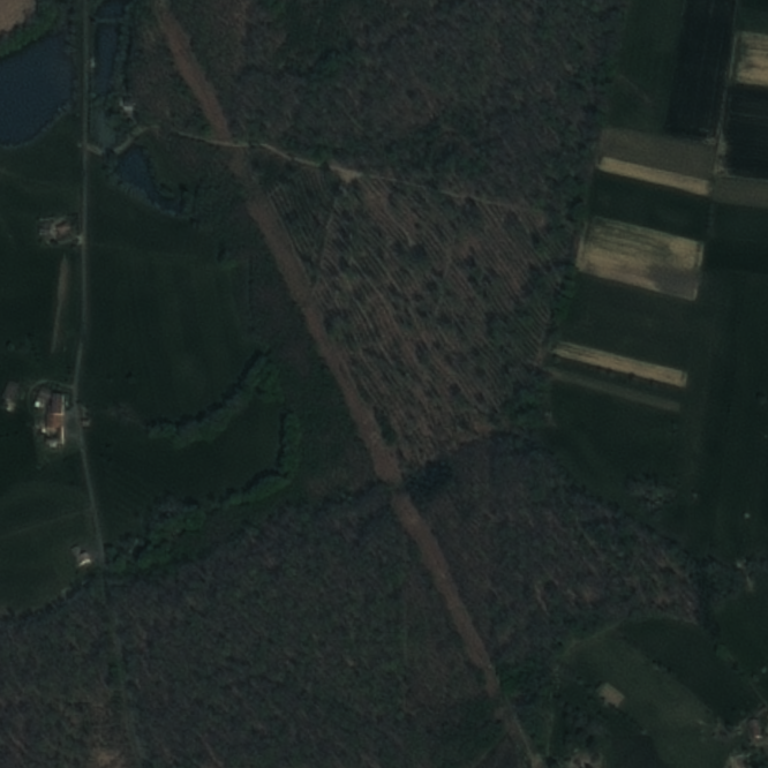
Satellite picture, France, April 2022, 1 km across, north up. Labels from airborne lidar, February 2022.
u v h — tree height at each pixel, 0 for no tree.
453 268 0
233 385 0
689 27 0
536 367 0
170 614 32
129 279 0
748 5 0
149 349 0
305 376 11
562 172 32
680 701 0
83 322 0
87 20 0
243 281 0
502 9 30
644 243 0
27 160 0
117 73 16
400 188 0
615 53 30
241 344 0
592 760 7
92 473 0
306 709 33
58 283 0
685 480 0
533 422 27
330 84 29
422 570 21
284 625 28
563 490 27
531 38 28
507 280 0
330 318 0
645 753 0
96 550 0
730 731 14
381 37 25
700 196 0
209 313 0
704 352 0
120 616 26
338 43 11
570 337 0
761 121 0
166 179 0
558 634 30
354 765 31
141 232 0
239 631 27
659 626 0
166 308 0
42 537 0
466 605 15
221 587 27
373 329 0
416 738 19
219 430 23
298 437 26
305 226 27
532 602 27
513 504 28
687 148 0
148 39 0
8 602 0
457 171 27
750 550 0
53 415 0
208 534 14
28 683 29
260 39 25
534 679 15
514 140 33
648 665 0
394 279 0
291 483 23
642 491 22
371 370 0
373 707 26
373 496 25
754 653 0
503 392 0
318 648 28
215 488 0
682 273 0
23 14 0
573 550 29
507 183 31
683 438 0
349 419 12
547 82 32
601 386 0
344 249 0
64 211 0
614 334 0
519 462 29
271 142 29
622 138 0
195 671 28
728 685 0
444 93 27
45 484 0
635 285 0
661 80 0
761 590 0
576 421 0
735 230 0
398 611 27
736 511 0
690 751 0
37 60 0
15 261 0
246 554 27
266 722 30
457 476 18
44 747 29
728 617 0
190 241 0
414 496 19
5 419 0
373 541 30
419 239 0
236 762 31
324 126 30
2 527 0
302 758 33
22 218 0
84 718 30
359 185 0
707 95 0
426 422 0
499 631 23
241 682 26
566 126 34
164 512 21
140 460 0
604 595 30
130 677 25
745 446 0
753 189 0
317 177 0
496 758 0
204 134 16
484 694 11
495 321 0
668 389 0
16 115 0
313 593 27
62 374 0
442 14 25
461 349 0
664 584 30
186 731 27
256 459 0
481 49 30
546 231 0
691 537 0
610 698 0
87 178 0
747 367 0
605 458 0
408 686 12
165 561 24
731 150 0
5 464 0
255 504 9
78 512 0
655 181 0
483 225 32
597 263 0
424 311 31
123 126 13
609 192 0
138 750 0
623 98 0
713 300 0
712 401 0
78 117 0
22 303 0
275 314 14
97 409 0
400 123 17
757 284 0
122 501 0
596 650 0
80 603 25
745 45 0
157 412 0
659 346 0
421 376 0
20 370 0
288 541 30
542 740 24
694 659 0
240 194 10
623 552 30
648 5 0
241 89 25
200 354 0
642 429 0
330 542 28
